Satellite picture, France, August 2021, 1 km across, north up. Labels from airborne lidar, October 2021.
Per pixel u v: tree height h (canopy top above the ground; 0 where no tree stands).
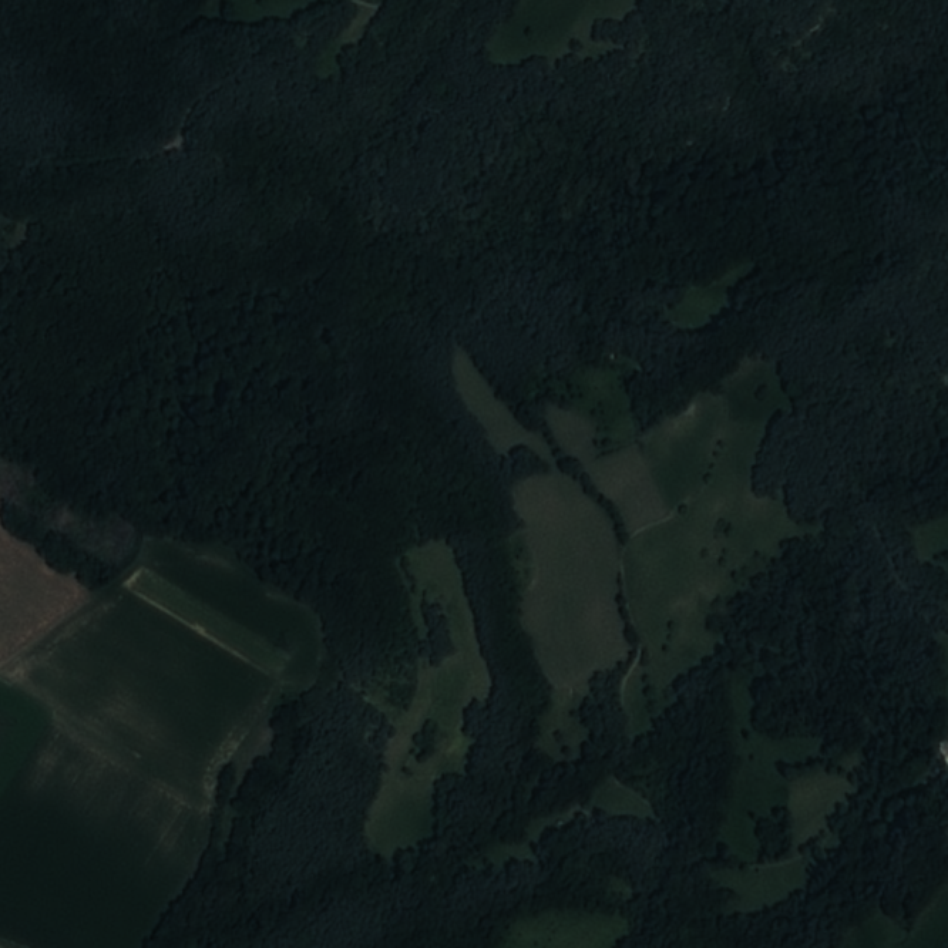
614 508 15
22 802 0
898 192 20
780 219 28
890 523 17
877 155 25
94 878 0
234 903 23
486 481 23
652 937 17
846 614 25
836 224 25
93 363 25
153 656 0
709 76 16
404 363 18
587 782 31
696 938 15
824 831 10
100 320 25
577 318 24
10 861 0
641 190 21
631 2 0
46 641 0
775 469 20
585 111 20
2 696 0
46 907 0
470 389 0
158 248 24
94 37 31
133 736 0
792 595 24
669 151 23
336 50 0
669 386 21
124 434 31
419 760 13
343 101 16
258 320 37
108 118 25
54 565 19
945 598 10
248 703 0
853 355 16
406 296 11
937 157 23
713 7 14
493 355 20
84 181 24
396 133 21
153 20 29
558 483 0
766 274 16
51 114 25
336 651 15
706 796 31
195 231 26
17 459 18
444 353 19
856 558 22
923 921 0
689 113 14
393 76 15
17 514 25
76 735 0
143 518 24
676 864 28
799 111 20
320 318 28
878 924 0
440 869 27
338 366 29
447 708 0
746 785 0
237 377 31
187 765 0
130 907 0
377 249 26
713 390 13
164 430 29
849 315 15
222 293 30
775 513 0
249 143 30
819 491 24
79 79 27
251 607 0
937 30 18
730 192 27
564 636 0
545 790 15
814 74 18
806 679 18
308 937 22
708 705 29
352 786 23
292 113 17
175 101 17
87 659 0
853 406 23
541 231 26
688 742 16
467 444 18
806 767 12
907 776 11
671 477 0
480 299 20
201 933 28
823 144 30
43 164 23
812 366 23
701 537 0
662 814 13
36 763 0
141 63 28
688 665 0
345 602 26
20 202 27
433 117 17
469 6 19
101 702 0
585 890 11
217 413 23
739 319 26
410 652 6
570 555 0
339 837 19
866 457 25
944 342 17
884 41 15
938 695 16
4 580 0
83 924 0
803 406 19
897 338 18
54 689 0
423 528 9
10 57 21
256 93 19
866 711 14
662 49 16
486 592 24
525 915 14
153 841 0
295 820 22
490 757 25
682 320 0
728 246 30
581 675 0
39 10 30
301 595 20
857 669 7
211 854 15
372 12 0
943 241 17
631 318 17
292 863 20
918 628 14
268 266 28
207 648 0
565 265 27
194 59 19
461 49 15
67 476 33
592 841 17
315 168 28
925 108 28
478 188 21
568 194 23
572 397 6
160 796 0
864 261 15
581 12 0
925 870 24
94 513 28
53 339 27
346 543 14
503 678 18
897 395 19
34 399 26
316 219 25
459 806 19
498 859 0
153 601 0
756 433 0
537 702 16
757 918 17
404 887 22
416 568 0
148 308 31
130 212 19
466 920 21
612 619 0
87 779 0
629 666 9
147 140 16
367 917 19
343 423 24
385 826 0
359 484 18
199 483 25
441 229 26
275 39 15
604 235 31
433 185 21
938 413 21
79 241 23
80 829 0
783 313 22
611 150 21
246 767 0
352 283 30
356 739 15
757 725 11
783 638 24
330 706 16
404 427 25
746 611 19
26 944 0
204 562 0
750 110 19
